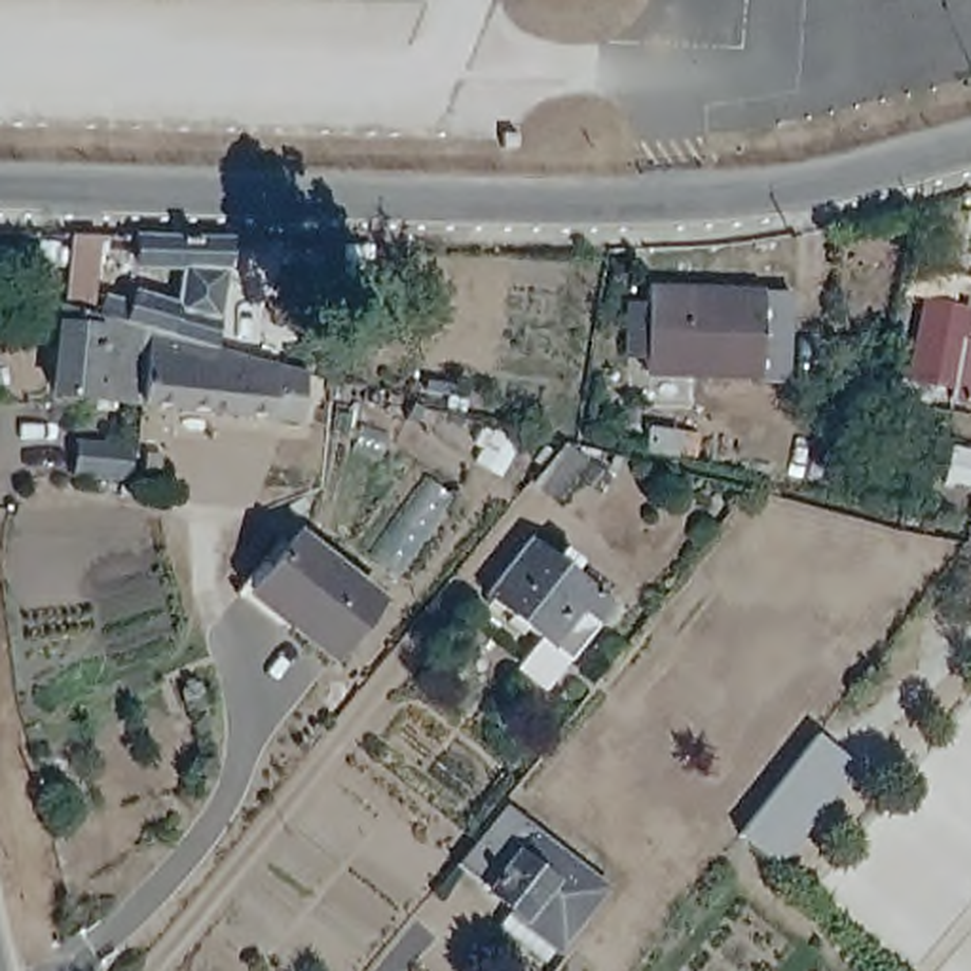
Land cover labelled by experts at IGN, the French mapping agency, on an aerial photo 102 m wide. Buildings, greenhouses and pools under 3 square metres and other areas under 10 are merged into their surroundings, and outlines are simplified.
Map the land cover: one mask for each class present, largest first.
<instances>
[{"label":"herbaceous vegetation","instance_id":"1","mask_svg":"<svg viewBox=\"0 0 971 971\"><path fill-rule=\"evenodd\" d=\"M508 19L523 34L565 46H599L607 38H626V30L649 8V0H501ZM971 118V80L918 87L857 106H838L827 114L789 118L762 129L709 133V152L702 159V171L804 163ZM641 137L630 125L626 99L618 91H611L607 99L588 95H561L539 102L527 118L512 121L508 140L497 133L482 140L303 137L296 148L303 156V167L334 171L637 174ZM231 144L224 133H163L148 121L106 118L53 121L42 129L0 125V159L129 167L167 163L220 171ZM633 254L652 273L637 288V296L622 300V311L637 307V300H649L656 284H728L766 292L789 288L793 307L804 319H812L819 307L823 277H838L846 307L853 315L880 311L895 262V247L884 239H857L838 250L834 243L823 247L819 228L815 220H808L800 228H762L709 239H641L633 247ZM630 357L622 330H592L584 341V372H599L607 379L614 368H626ZM61 341L53 338L38 349V357L27 349H0V417L42 410L38 425H61L64 406H95V394H87L83 387L61 394L46 383L49 376H57ZM368 383L364 376H357L353 383H322V402L315 410L311 432L303 440H277L258 508L243 516L231 554V588L250 584L292 546L303 520H315V527L338 539L349 535L353 512L338 504L341 478L334 474V448L383 451V425L360 421L357 406L364 402L360 391ZM626 421L630 429H637L633 436L649 444L652 429H671L690 432L702 444V451L709 459H728L743 463L747 470L770 474L762 512L751 516L736 508L724 520L721 535L694 561L683 588L660 603L649 626L614 656L607 675L592 683V690L603 694V705L580 717L561 736L558 751L539 759L535 770L523 778L512 789V800L527 804L554 834H561L573 850H580L592 865L603 869V903L592 910L580 933L565 941L561 971H679L690 967L705 952V941H713L721 929L732 933L736 918L724 914V903L736 891L762 903L774 918L800 933L797 948L789 956H778V971H853L850 960L838 956V944L827 933V925L789 907L762 884L755 861L762 853L743 834V827L759 815L770 793L785 781L797 759L819 736V728L838 721L842 713H861L857 694H842V671L884 637L891 614L933 569H941L948 554L967 558L971 546V489H948V478L937 489L952 497V516H963L960 531L937 527V520L895 523L872 512L857 516L853 508L838 504L823 512L781 501V478H819L823 467L808 459V429L781 410L778 391L751 379H694V402L675 417L656 413L645 398L630 410ZM432 410L444 421L478 432L482 467L470 470V482L459 493L467 508L478 512L489 497H501L508 504L504 516L474 546L459 584L440 580L406 611L402 622L383 614L341 660L326 645H319L315 633L288 622L284 641L307 660L311 679L269 728L231 815L254 823L266 812V804H273L288 774L303 766L311 743L322 740L326 728L338 724V717L353 709L368 679L379 675L387 660H402L410 675L425 671L432 641L455 622V614L467 603L489 607L497 573L527 539H542L558 550H584L588 569L603 577V592H611V614H599L603 630L622 626V618L633 614L641 584L656 580V573L675 558L687 527V520L675 512L645 520V493L630 474V463L614 459L611 482L573 493L569 504H558L546 493V486L539 482V463L527 459V451H516L512 440L497 429V410H470L467 394H455V383H429V394L402 398V413ZM167 561L178 584L190 592V527L178 504L167 508ZM922 671V626L914 622L903 626L895 649L884 656L880 694H899L907 679H918ZM190 671H212L220 690L216 717L201 724V732H209L216 747V759L209 762L205 797H174L178 770H190L197 762V743H190V724L178 705V690H190ZM190 671H178V679L163 671V709H152L144 717L159 755L144 766L121 743L125 728L118 717L95 732V743L102 755V808L87 812L72 834H46L30 808L34 797H46L64 778V755L49 759L46 740H23L0 641V971H38L46 963H57L61 941L53 937L49 918L53 884L87 895L110 891L114 907L99 922L102 929L133 903V895L201 823L224 781L231 724L228 675L224 660L216 656V633L205 637V656H197ZM167 812H174L178 834L148 850L137 846V831ZM501 660V649L493 641L478 645V660L467 664L459 675L463 705L459 713H451L455 728L478 736L482 690ZM933 698L941 705L956 717L971 705V690L960 675L948 671L933 687ZM853 793L842 804L831 800L819 808L812 838L793 857H800V865L823 880L834 869L819 853L815 838H827V831L846 815L853 819V827L865 831L876 812L857 793V785L865 774L899 762L903 755L895 740L880 732H853L842 740V747ZM512 914V899H497L486 876L463 865L455 888L448 895H436L417 914L421 925L429 933V948L421 952L413 971H459L470 963L478 948L501 944L508 937L504 918ZM174 971H250L235 944L212 937V944L205 948L193 941Z\"/></svg>","mask_w":971,"mask_h":971},{"label":"impervious surface","instance_id":"2","mask_svg":"<svg viewBox=\"0 0 971 971\"><path fill-rule=\"evenodd\" d=\"M971 80V0H649V8L626 30V38H607L599 46V83L588 95L607 99L611 91H618L626 99L630 125L641 137L637 174L334 171L303 167V156L296 148L269 152L254 137H235L231 144L220 171L167 163L129 167L0 159V250H23L38 243L53 266H64L68 243L76 235H102L99 269L118 284V296H125V311L133 315L137 292L178 296L182 277L167 266H144L133 258L137 250H144V231H231L239 239V266L224 273V338L250 341L269 353L284 349L296 330L284 326V319L296 307L368 311L372 288L360 281V258H376L383 247L394 243V235L410 239H584L633 247L641 239H709L762 228H800L808 220H815L819 228L853 224L895 209L944 205V212L956 220V231L971 235V118L804 163L702 171V159L709 152V133L762 129L789 118L827 114L838 106H857L918 87ZM922 296H971V277L918 281L907 284L899 300V319L895 334L914 338L922 330ZM607 379L618 387H641L645 398L656 413L675 417L694 402V379L652 376L637 364V357H630L626 368H614ZM322 402V383L319 379L307 383L300 425H281L269 413L228 417L209 406H197L190 417L186 410H174V402L152 398L144 410L140 440L148 444H152V448H156V451H159V455H163V459H167L171 467L186 482L190 497L193 504H224L243 516L258 508L277 440H303L311 432L315 410ZM42 410L0 417V520L19 523L23 501L34 493L38 478H53V463H68L72 470L76 467L80 455H95L99 440L121 432L118 410L106 413L91 432L61 436V425H38ZM231 607L224 611L216 633V656L224 660L228 675L231 724L224 781L201 823L133 895V903L102 929L99 922L61 941L57 963H46L38 971H99V963L144 918H152V910L186 880V872L212 846V838L231 823V815L269 728L311 679L307 660L284 641L288 622L250 584L231 588ZM925 778L922 804L914 812H876L865 831V857L850 869H834L823 880L838 910H846L853 922L876 933L884 948L910 960L914 971H971V705L956 717L952 740L937 747L918 766ZM429 948V933L421 925L406 933V941L391 952V960L379 971H413L421 952Z\"/></svg>","mask_w":971,"mask_h":971},{"label":"agricultural land","instance_id":"3","mask_svg":"<svg viewBox=\"0 0 971 971\"><path fill-rule=\"evenodd\" d=\"M436 269L444 284H451V322L425 341L402 338L391 345L364 349L353 368L357 376H364L368 383H376L379 364H394L410 379L417 376L429 383H455L463 368H474L482 376H493L508 391L542 398L546 425L558 436L577 425L584 372V341L592 330L588 296L595 292L599 266L573 258L531 262L440 254ZM334 474L341 478L338 504L353 512L349 535L338 539L353 558L368 565V580L387 595L383 614L402 622L406 611L440 580L444 561L451 558L455 542L474 527L478 512L467 508L459 493L470 482V470L459 467L455 474H448L432 470L421 455L402 459V451H383L334 448ZM167 508L140 504L125 486L95 482V474H83L76 467L72 470L68 463H53V478H38L34 493L23 501L19 523L0 520V641L23 740H46L49 759L64 755L72 740L95 743V732L118 717V690L133 694L144 717L152 709H163V671L178 679V671H190L197 656H205V637L201 618L186 607L190 592L178 584L167 561ZM497 766V755L478 736L455 728L451 713L425 702L410 675L402 660H387L379 675L368 679L353 709L338 717V724L326 728L322 740L311 743L303 766L288 774L273 804H266V812L254 823L231 815V823L212 838V846L186 872V880L152 910V918H144L99 963V971H174L193 941L205 948L212 944V937L235 944L250 971H379L391 960V952L406 941V933L421 925L417 914L436 895L429 880L459 838V815L489 785V774ZM724 914L736 918L732 933L721 929L713 941H705V952L690 967L679 971H778V956H789L797 948L800 933L774 918L762 903L736 891L724 903Z\"/></svg>","mask_w":971,"mask_h":971},{"label":"deciduous trees","instance_id":"4","mask_svg":"<svg viewBox=\"0 0 971 971\"><path fill-rule=\"evenodd\" d=\"M823 247L834 243L838 250L857 239H884L895 247V262L907 266L918 281L971 277V235L956 231V220L944 212V205L895 209L853 224L819 228ZM360 281L372 288L368 311L296 307L284 319V326L296 330L284 349L288 357H300L303 368H315L319 379L322 383H353L357 376L353 368L364 349L391 345L402 338L425 341L451 322V284H444L436 269L417 266V258L410 254V239L394 235V243L383 247L376 258H360ZM599 266L595 292L588 296L592 330H622V300L637 296V288L652 273L633 254V247L584 239L573 258ZM72 307L64 266H53L38 243L23 250H0V349H27L38 357V349L53 338L57 315ZM899 319H884L880 311L853 315L846 307L838 277H823L819 307L812 319H804L793 334V368L778 383V391L781 410L808 429V459L823 467L819 478H781V501L823 512L838 504L853 508L857 516L872 512L895 523L937 520V527L960 531L963 516H952V497L937 489L948 478L952 451L971 448V417L952 413V402H941V383L929 387L925 379H918L914 338L895 334ZM455 394H467L470 410H497V429L512 440L516 451H527V459L539 463L542 451L561 448H603L614 459L630 463V474L645 493V520L675 512L687 520V527L675 558L656 573V580L641 584L633 614L622 618V626L603 630L592 637L588 652L569 668L561 683L542 690L523 671L501 660L482 690L478 736L497 755V766L520 770L523 778L535 770L539 759L558 751L561 736L580 717L603 705V694L592 690V683L607 675L614 656L649 626L660 603L683 588L694 561L721 535L724 520L736 508L751 516L762 512L770 474L747 470L743 463L728 459H709L702 451L668 459L656 455L649 444L633 436L637 429H630L626 421L630 410L645 398L641 387H618L607 379L599 372H584L577 425L558 436L546 425L542 398L508 391L493 376H482L474 368H463L455 383ZM106 413L95 406H64L61 425V436L91 432ZM121 432L99 440L95 455L133 463L125 486L140 504L167 508L178 504H186L190 497L186 482L171 467H148V444L140 440L144 410H118ZM918 614L971 622V546L967 558L948 554L941 569H933L891 614L884 637L842 671V694H857L861 713L880 702V694L884 656L895 649L903 626L914 622ZM489 614V607L467 603L455 614V622L432 641L425 671L410 675L425 702L451 713H459L463 705L459 675L467 664L478 660V645L474 630ZM178 705L190 724V743H197V762L190 770H178L174 797H205L209 762L216 759V747L209 732H201V724L216 717L220 690L212 671H190V690H178ZM118 717L125 728L121 743L144 766L159 755L144 717L133 694L118 690ZM925 743L937 747L952 740L956 717L941 705L925 721H918ZM64 778L46 797H34L30 808L46 834H72L87 812L102 808V755L95 743L72 740L64 755ZM857 793L876 812H914L922 804L925 778L918 766L903 755L899 762L865 774L857 785ZM178 834L174 812H167L137 831V846L148 850ZM819 853L834 869H850L865 857V831L853 827V819L846 815L827 831V838H815ZM762 884L789 907L827 925V933L838 944V956L850 960L853 971H914L910 960L884 948L876 933L853 922L846 910H838L823 880L800 865V857H793L762 853L755 861ZM114 907L110 891L87 895L53 884L49 918L53 937L61 941L99 922ZM459 971H523V952L508 937L501 944L478 948L470 963Z\"/></svg>","mask_w":971,"mask_h":971},{"label":"building","instance_id":"5","mask_svg":"<svg viewBox=\"0 0 971 971\"><path fill-rule=\"evenodd\" d=\"M102 235H76L68 243L64 266L72 307L57 315L53 338L61 341L57 376H49L46 383L61 394L83 387L87 394H95V406L106 413L118 410H144L152 398L174 402V410H186L190 417L197 406H209L228 417L269 413L281 425H300L307 383L319 379L315 368H303L300 357H288L284 349L269 353L250 341L224 338V273L239 266V239L231 231H144V250H137L133 258L144 266H167L182 277L178 296L137 292L133 315L125 311V296H118V284L99 269ZM804 319L793 307L789 288L766 292L728 284H656L649 300H637V307L622 311V330L630 357H637V364L652 376L694 379H751L778 391V383L793 368V334ZM918 379H925L929 387L941 383V402H952V413L971 417V296H922V330L914 338ZM360 421L383 425V451H402V459L421 455L432 470L448 474H455L459 467L470 470L482 467L478 432L444 421L432 410L402 413V398L376 394L364 402L357 406ZM656 455L668 459L702 451V444L690 432L671 429H652L649 444ZM148 467H171L167 459H163V455H159V451H156V448H152V444H148ZM539 463V482L546 486V493L558 504H569L573 493L611 482L614 459L603 448H561L542 451ZM971 489V448L952 451L948 478V489ZM76 467L83 474H95V482L125 486L133 463L95 455H80ZM250 584L288 622L315 633L319 645H326L341 660L383 614L387 595L368 580V565L353 558L338 539L315 527V520H303L292 546ZM599 614H611V592H603V577L588 569L584 550H558L542 539H527L497 573L489 607V614L493 626L508 633H531L539 641L527 652L523 671L542 690L561 683L569 668L588 652L592 637L603 630ZM853 793L842 747L819 736L797 759L785 781L770 793L759 815L743 827V834L762 853L793 857L812 838L819 808L831 800L842 804ZM463 865L486 876L497 899H512V914L504 918L508 937L523 952V971H561L565 941L580 933L592 910L603 903V869L592 865L580 850H573L561 834H554L527 804L512 800L508 812L486 831V838L474 842Z\"/></svg>","mask_w":971,"mask_h":971},{"label":"pervious surface","instance_id":"6","mask_svg":"<svg viewBox=\"0 0 971 971\"><path fill-rule=\"evenodd\" d=\"M599 83V46H565L523 34L508 19L501 0H0V125L42 129L53 121L106 118L148 121L163 133H224L231 144L235 137H254L269 152L296 148L303 137L482 140L497 133L508 140L512 121L527 118L539 102L561 95H588ZM190 527V592L186 607L201 618L205 637L216 633L224 611L231 607V554L243 516L224 504H193L190 497L186 504H178ZM914 622L922 626V671L918 679H907L899 694H880V702L861 713H842L838 721L819 728V736L842 747V740L853 732H880L895 740L903 755L918 766L937 747L925 743L918 721H925L941 705L933 698V687L948 671L960 675L971 690V622L918 614Z\"/></svg>","mask_w":971,"mask_h":971},{"label":"brushwood","instance_id":"7","mask_svg":"<svg viewBox=\"0 0 971 971\"><path fill-rule=\"evenodd\" d=\"M584 239H410V254L417 258V266L436 269L440 254L531 262L573 258ZM918 281L907 266L895 262L880 311L884 319H899V300L907 284ZM376 394L402 398L429 394V383L417 376L410 379L394 364H379L376 383H368L360 391L364 402ZM508 504L501 497H489L478 512L474 527L455 542L451 558L444 561L440 580L459 584L474 546L504 516ZM478 645L493 641L501 649V660L523 671L527 652L539 641L531 633H508L493 626L489 614L474 630ZM523 778L520 770L497 766L489 774V785L459 815V838L429 880L436 895H448L455 888L463 865L474 842L486 838V831L508 812L512 800V789Z\"/></svg>","mask_w":971,"mask_h":971}]
</instances>
